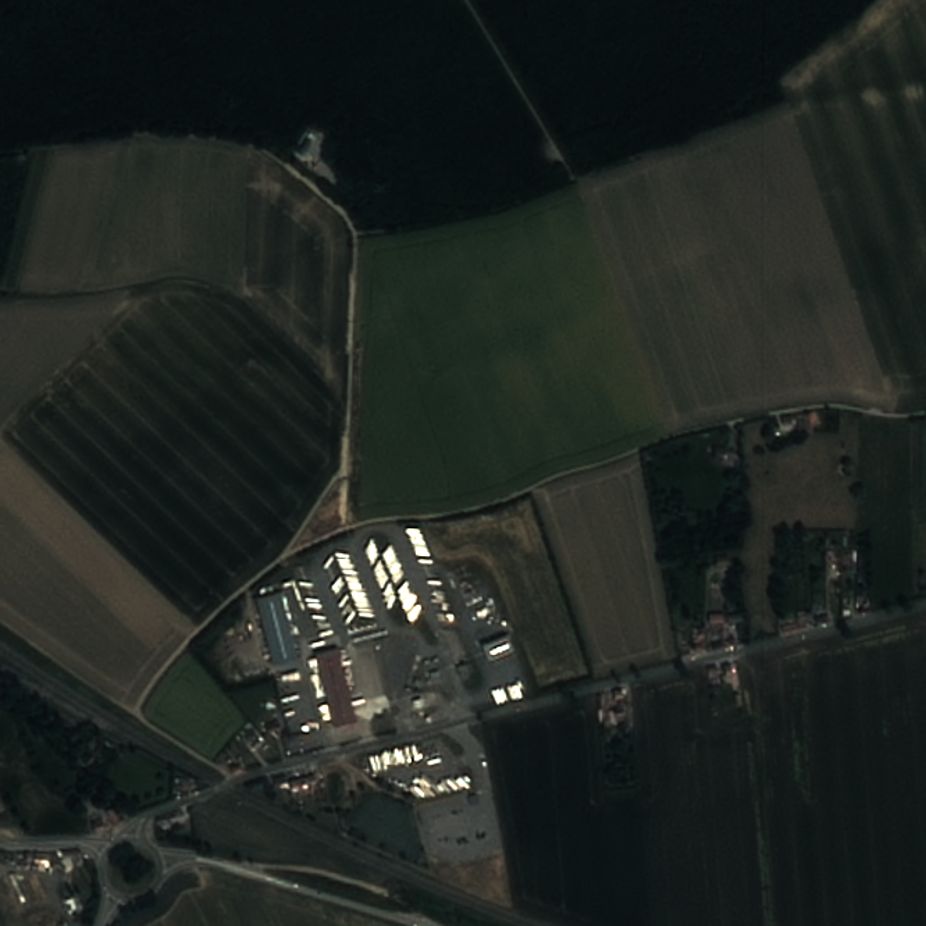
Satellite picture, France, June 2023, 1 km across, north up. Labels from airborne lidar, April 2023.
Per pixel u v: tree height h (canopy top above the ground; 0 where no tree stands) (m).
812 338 0
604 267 0
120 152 0
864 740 0
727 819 0
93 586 0
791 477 0
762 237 0
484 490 0
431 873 0
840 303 0
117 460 0
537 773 0
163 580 0
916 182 0
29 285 0
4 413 0
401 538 0
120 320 0
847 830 0
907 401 0
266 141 8
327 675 0
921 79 0
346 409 0
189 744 0
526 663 0
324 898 0
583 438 0
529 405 0
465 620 0
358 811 0
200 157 0
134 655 0
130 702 0
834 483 0
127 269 0
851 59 0
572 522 0
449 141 12
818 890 0
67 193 0
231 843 0
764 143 0
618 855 0
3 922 0
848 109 0
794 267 0
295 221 0
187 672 0
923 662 0
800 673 0
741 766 0
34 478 0
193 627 0
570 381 0
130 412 0
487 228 0
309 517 0
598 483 0
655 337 0
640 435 0
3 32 17
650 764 0
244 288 0
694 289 0
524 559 0
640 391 0
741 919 0
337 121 12
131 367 0
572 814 0
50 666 0
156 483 0
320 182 9
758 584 0
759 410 0
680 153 0
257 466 0
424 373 0
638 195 0
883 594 0
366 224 12
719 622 0
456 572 0
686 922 0
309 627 0
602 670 0
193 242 0
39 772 12
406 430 0
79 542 0
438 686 0
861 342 0
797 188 0
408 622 0
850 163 0
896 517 0
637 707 0
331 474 0
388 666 0
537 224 0
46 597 0
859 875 0
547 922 0
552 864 0
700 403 0
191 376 0
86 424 0
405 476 0
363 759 0
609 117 11
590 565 0
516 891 0
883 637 0
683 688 0
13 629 0
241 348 0
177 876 0
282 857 0
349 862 0
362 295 0
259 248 0
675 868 0
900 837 0
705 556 0
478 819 0
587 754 0
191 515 0
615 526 0
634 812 0
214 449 0
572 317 0
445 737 0
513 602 0
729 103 10
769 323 0
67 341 0
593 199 0
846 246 0
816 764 0
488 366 0
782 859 0
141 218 0
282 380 0
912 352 0
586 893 0
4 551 0
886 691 0
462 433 0
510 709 0
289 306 0
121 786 0
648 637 0
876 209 0
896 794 0
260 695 0
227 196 0
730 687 0
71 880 0
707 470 0
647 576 0
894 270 0
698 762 0
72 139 8
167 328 0
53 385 0
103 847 0
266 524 0
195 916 0
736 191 0
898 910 0
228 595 0
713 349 0
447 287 0
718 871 0
